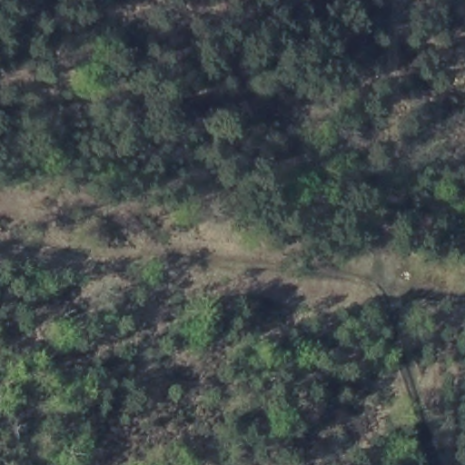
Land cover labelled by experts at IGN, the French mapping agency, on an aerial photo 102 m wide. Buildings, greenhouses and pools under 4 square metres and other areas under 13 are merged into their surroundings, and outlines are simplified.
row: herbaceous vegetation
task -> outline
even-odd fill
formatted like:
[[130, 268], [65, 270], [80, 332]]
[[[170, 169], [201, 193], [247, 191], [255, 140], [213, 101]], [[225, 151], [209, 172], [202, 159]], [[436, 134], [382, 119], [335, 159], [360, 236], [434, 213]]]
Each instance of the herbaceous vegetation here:
[[120, 418], [127, 405], [127, 389], [116, 389], [113, 392], [111, 411], [107, 414], [102, 414], [102, 401], [96, 398], [91, 401], [91, 405], [87, 407], [87, 416], [89, 423], [93, 425], [93, 461], [96, 465], [124, 465], [127, 456], [131, 440], [125, 436], [124, 425]]
[[84, 25], [74, 20], [71, 31], [53, 29], [47, 40], [47, 47], [51, 47], [54, 53], [54, 73], [58, 69], [71, 73], [76, 67], [91, 62], [96, 38], [104, 36], [107, 31], [116, 31], [122, 42], [131, 47], [133, 56], [129, 62], [140, 73], [151, 44], [160, 45], [165, 51], [173, 51], [176, 60], [183, 60], [185, 64], [194, 67], [200, 62], [200, 49], [198, 36], [194, 35], [191, 25], [194, 20], [202, 18], [203, 13], [225, 11], [225, 5], [231, 0], [156, 0], [169, 18], [169, 25], [160, 29], [149, 22], [149, 16], [153, 15], [154, 9], [158, 7], [153, 0], [93, 0], [98, 11], [96, 22]]
[[47, 0], [18, 0], [27, 9], [27, 15], [18, 20], [13, 33], [16, 40], [15, 54], [9, 56], [5, 49], [0, 53], [0, 87], [7, 82], [15, 82], [16, 91], [25, 94], [35, 93], [42, 102], [47, 102], [53, 96], [49, 84], [38, 80], [24, 82], [18, 74], [18, 69], [24, 67], [31, 56], [33, 38], [42, 29], [38, 24]]
[[218, 84], [214, 80], [207, 94], [200, 94], [191, 87], [182, 96], [176, 96], [176, 105], [182, 111], [196, 111], [200, 107], [200, 111], [196, 113], [196, 120], [203, 122], [220, 109], [236, 114], [242, 131], [247, 125], [262, 124], [263, 120], [300, 125], [300, 114], [311, 105], [311, 100], [298, 96], [291, 85], [285, 84], [280, 85], [272, 94], [256, 93], [252, 89], [249, 69], [245, 64], [245, 49], [242, 45], [236, 44], [227, 64], [231, 67], [232, 76], [236, 78], [236, 89], [229, 89], [227, 85]]
[[[414, 203], [414, 187], [418, 185], [418, 178], [423, 173], [421, 163], [434, 160], [436, 149], [441, 145], [449, 149], [452, 160], [465, 156], [465, 125], [456, 127], [452, 133], [449, 131], [445, 138], [436, 138], [436, 131], [445, 118], [449, 118], [450, 114], [460, 113], [465, 107], [465, 0], [443, 0], [449, 7], [449, 35], [452, 44], [441, 51], [441, 67], [449, 78], [454, 78], [456, 87], [441, 93], [434, 89], [429, 80], [425, 80], [423, 84], [416, 84], [409, 78], [418, 71], [414, 60], [418, 56], [409, 44], [411, 13], [416, 0], [360, 0], [367, 18], [372, 24], [378, 25], [381, 33], [389, 35], [391, 44], [381, 45], [378, 40], [372, 40], [363, 29], [352, 31], [351, 35], [341, 40], [341, 44], [343, 51], [351, 56], [352, 64], [358, 67], [358, 71], [365, 78], [371, 78], [374, 84], [374, 65], [380, 65], [383, 69], [387, 82], [391, 84], [391, 94], [387, 94], [383, 100], [383, 114], [389, 118], [389, 129], [381, 131], [380, 127], [374, 125], [372, 118], [369, 122], [360, 124], [360, 136], [367, 138], [367, 142], [363, 147], [349, 147], [349, 153], [354, 154], [356, 160], [352, 163], [351, 171], [345, 173], [349, 174], [352, 183], [367, 183], [369, 187], [378, 189], [378, 202], [387, 211], [383, 216], [372, 213], [371, 209], [360, 213], [358, 231], [371, 232], [372, 242], [363, 242], [361, 245], [336, 242], [332, 245], [332, 251], [340, 252], [345, 258], [349, 258], [347, 267], [365, 274], [369, 274], [372, 267], [376, 271], [383, 269], [385, 280], [389, 283], [394, 282], [398, 276], [403, 280], [411, 280], [414, 287], [436, 287], [441, 291], [465, 292], [465, 263], [452, 263], [445, 258], [441, 265], [438, 262], [425, 263], [420, 249], [418, 252], [412, 252], [409, 258], [400, 260], [396, 254], [392, 254], [389, 243], [392, 240], [394, 222], [400, 214], [407, 213]], [[427, 111], [430, 118], [420, 125], [420, 133], [411, 136], [407, 145], [401, 149], [394, 134], [396, 120], [414, 109], [416, 113]], [[381, 145], [389, 154], [389, 163], [385, 167], [378, 167], [369, 160], [372, 145]]]
[[67, 232], [62, 229], [69, 223], [74, 211], [93, 213], [93, 218], [102, 223], [105, 229], [109, 247], [134, 247], [133, 240], [127, 236], [143, 232], [140, 213], [134, 209], [133, 202], [116, 203], [111, 213], [104, 203], [89, 200], [91, 194], [87, 193], [87, 185], [78, 185], [78, 193], [62, 200], [47, 196], [42, 191], [25, 191], [18, 183], [13, 187], [5, 187], [0, 193], [0, 240], [9, 240], [16, 236], [20, 238], [22, 223], [38, 222], [38, 227], [42, 231], [47, 231], [45, 243], [53, 247], [69, 247]]
[[35, 441], [36, 432], [40, 432], [40, 427], [45, 421], [45, 412], [40, 409], [36, 411], [35, 407], [29, 407], [27, 403], [16, 409], [16, 420], [20, 421], [20, 434], [11, 434], [7, 445], [25, 445], [27, 454], [5, 454], [4, 458], [0, 458], [0, 465], [51, 465], [49, 461], [40, 458], [40, 447]]
[[[158, 256], [153, 262], [162, 263], [162, 278], [145, 292], [147, 300], [143, 305], [136, 303], [140, 278], [127, 269], [120, 276], [111, 274], [100, 280], [93, 280], [84, 285], [84, 289], [71, 283], [64, 291], [54, 296], [35, 300], [31, 309], [35, 312], [33, 327], [58, 320], [82, 323], [87, 320], [87, 312], [118, 307], [120, 314], [131, 316], [134, 325], [140, 329], [133, 338], [127, 338], [124, 343], [118, 343], [118, 327], [111, 322], [100, 327], [100, 334], [85, 351], [62, 351], [51, 340], [36, 340], [35, 336], [29, 336], [20, 329], [18, 316], [15, 314], [9, 314], [0, 325], [0, 336], [4, 338], [5, 345], [15, 351], [45, 352], [53, 360], [54, 369], [60, 372], [60, 380], [67, 385], [76, 381], [76, 365], [91, 369], [96, 356], [104, 360], [104, 369], [113, 378], [136, 381], [138, 387], [142, 387], [149, 398], [162, 403], [169, 398], [169, 391], [173, 385], [180, 385], [185, 391], [194, 392], [198, 389], [200, 374], [191, 367], [193, 361], [187, 352], [183, 351], [187, 347], [187, 340], [182, 334], [178, 334], [174, 340], [173, 352], [163, 356], [162, 360], [153, 360], [145, 356], [147, 349], [153, 349], [162, 341], [160, 325], [174, 320], [174, 309], [169, 303], [169, 298], [182, 291], [185, 300], [191, 305], [198, 294], [207, 294], [209, 300], [216, 298], [220, 305], [216, 307], [218, 314], [214, 322], [213, 338], [216, 341], [227, 338], [234, 322], [236, 302], [238, 298], [247, 298], [252, 311], [251, 320], [245, 323], [249, 331], [262, 331], [263, 338], [269, 343], [274, 343], [282, 351], [291, 352], [287, 372], [291, 372], [292, 380], [287, 383], [285, 394], [292, 409], [307, 423], [307, 432], [302, 438], [282, 436], [272, 440], [267, 445], [269, 465], [274, 465], [278, 461], [278, 452], [283, 449], [298, 452], [302, 458], [300, 465], [358, 465], [349, 458], [349, 450], [356, 443], [361, 449], [367, 449], [371, 465], [383, 465], [385, 452], [380, 449], [383, 443], [381, 436], [387, 430], [385, 420], [380, 421], [381, 414], [385, 405], [392, 405], [394, 398], [398, 400], [407, 396], [403, 372], [400, 371], [396, 376], [389, 374], [385, 378], [380, 378], [372, 361], [361, 349], [360, 338], [354, 338], [347, 347], [341, 345], [336, 338], [341, 320], [336, 316], [336, 307], [349, 307], [349, 314], [356, 318], [363, 312], [361, 302], [367, 300], [361, 296], [365, 282], [361, 280], [331, 282], [311, 278], [298, 278], [298, 274], [292, 274], [289, 282], [283, 280], [262, 283], [260, 274], [263, 267], [251, 267], [231, 282], [229, 272], [216, 269], [213, 263], [209, 265], [209, 251], [214, 251], [231, 256], [251, 256], [252, 262], [263, 258], [265, 262], [271, 263], [272, 267], [276, 267], [276, 263], [282, 262], [292, 251], [302, 251], [302, 243], [289, 243], [278, 251], [269, 252], [269, 245], [262, 243], [258, 249], [247, 251], [242, 245], [242, 234], [232, 227], [231, 220], [225, 223], [211, 222], [211, 203], [216, 200], [227, 200], [238, 194], [238, 187], [223, 185], [216, 174], [207, 171], [205, 162], [194, 156], [189, 162], [178, 163], [176, 158], [169, 154], [169, 158], [165, 160], [165, 171], [160, 185], [171, 187], [178, 198], [183, 198], [185, 187], [193, 185], [196, 189], [196, 202], [200, 203], [200, 225], [200, 232], [205, 236], [205, 249], [191, 251], [189, 260], [183, 260], [182, 252], [169, 249], [163, 254], [163, 258]], [[303, 302], [320, 314], [320, 331], [312, 331], [307, 323], [298, 318], [296, 311]], [[325, 351], [329, 351], [332, 360], [341, 361], [343, 365], [356, 363], [360, 367], [360, 378], [341, 380], [322, 367], [300, 367], [300, 352], [292, 343], [291, 329], [300, 332], [303, 340], [309, 341], [312, 345], [320, 345]], [[124, 352], [125, 345], [136, 343], [138, 349], [133, 358], [136, 371], [129, 371], [120, 354]]]
[[145, 98], [143, 94], [138, 94], [129, 111], [138, 122], [145, 124]]

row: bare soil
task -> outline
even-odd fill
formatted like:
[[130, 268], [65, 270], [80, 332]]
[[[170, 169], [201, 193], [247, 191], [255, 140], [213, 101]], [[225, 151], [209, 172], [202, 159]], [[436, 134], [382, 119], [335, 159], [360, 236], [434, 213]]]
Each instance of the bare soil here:
[[263, 258], [252, 262], [251, 256], [231, 256], [214, 251], [209, 251], [209, 265], [213, 263], [216, 269], [229, 272], [231, 282], [251, 267], [263, 267], [260, 274], [262, 283], [283, 280], [276, 267], [272, 267], [271, 263], [265, 262]]
[[[361, 296], [367, 300], [371, 298], [372, 303], [380, 309], [383, 322], [391, 327], [392, 336], [387, 347], [400, 352], [400, 361], [396, 363], [400, 371], [403, 372], [407, 396], [414, 403], [414, 411], [418, 416], [416, 427], [418, 441], [418, 447], [407, 454], [401, 465], [460, 465], [458, 438], [461, 403], [452, 400], [450, 411], [445, 411], [445, 398], [440, 389], [443, 381], [440, 378], [438, 363], [447, 360], [449, 356], [454, 358], [454, 363], [449, 365], [449, 372], [456, 376], [454, 392], [463, 389], [465, 381], [465, 292], [441, 291], [436, 287], [414, 287], [411, 280], [403, 280], [398, 276], [394, 282], [389, 283], [385, 280], [383, 269], [376, 271], [372, 267], [369, 274], [365, 274], [347, 267], [340, 269], [336, 265], [334, 269], [316, 269], [312, 272], [311, 278], [331, 282], [361, 280], [365, 282]], [[427, 332], [421, 338], [412, 336], [407, 329], [407, 318], [414, 303], [418, 303], [420, 307], [427, 307], [430, 316], [436, 320], [434, 331]]]
[[0, 240], [0, 258], [4, 262], [31, 262], [35, 269], [49, 272], [51, 276], [54, 272], [73, 271], [91, 276], [93, 280], [100, 280], [111, 274], [120, 276], [127, 269], [131, 263], [140, 262], [147, 267], [153, 262], [158, 256], [163, 258], [163, 254], [169, 249], [182, 252], [183, 260], [189, 260], [191, 251], [205, 249], [205, 236], [200, 232], [200, 225], [185, 232], [174, 232], [171, 242], [162, 245], [154, 243], [143, 232], [127, 236], [133, 240], [134, 247], [109, 247], [104, 245], [93, 258], [89, 252], [69, 247], [53, 247], [45, 243], [27, 245], [20, 238], [16, 236], [9, 240]]

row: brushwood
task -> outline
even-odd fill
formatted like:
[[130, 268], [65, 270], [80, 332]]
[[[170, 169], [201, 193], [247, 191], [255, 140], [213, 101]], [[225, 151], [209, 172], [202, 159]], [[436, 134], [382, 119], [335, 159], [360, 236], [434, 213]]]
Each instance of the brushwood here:
[[271, 430], [267, 409], [252, 411], [245, 414], [238, 423], [240, 432], [247, 432], [251, 425], [256, 425], [260, 434], [265, 434]]
[[131, 421], [124, 425], [125, 436], [131, 440], [127, 456], [143, 460], [143, 447], [156, 449], [158, 445], [171, 445], [173, 441], [178, 441], [200, 460], [200, 465], [231, 465], [231, 456], [220, 458], [218, 438], [207, 438], [191, 432], [191, 423], [194, 423], [194, 403], [191, 396], [194, 392], [185, 391], [180, 385], [173, 385], [169, 391], [169, 398], [162, 403], [149, 398], [145, 400], [140, 411], [133, 412]]
[[227, 356], [227, 351], [232, 349], [231, 341], [227, 338], [216, 341], [213, 338], [207, 343], [207, 349], [202, 356], [193, 361], [191, 367], [200, 374], [198, 389], [194, 392], [203, 394], [216, 389], [222, 392], [223, 400], [229, 401], [232, 398], [229, 383], [218, 378], [220, 365]]

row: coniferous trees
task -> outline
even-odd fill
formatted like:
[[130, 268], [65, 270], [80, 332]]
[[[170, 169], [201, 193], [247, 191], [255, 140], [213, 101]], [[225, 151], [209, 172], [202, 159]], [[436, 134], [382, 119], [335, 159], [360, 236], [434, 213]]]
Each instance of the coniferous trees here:
[[291, 329], [292, 343], [300, 352], [300, 367], [322, 367], [341, 380], [360, 378], [360, 367], [356, 363], [343, 365], [341, 361], [332, 360], [329, 351], [325, 351], [320, 345], [312, 345], [309, 341], [303, 340], [300, 332]]
[[[383, 69], [380, 65], [374, 65], [374, 84], [371, 78], [365, 78], [358, 71], [358, 67], [352, 64], [351, 56], [343, 51], [341, 44], [341, 40], [351, 35], [352, 31], [363, 29], [372, 40], [378, 40], [381, 45], [391, 44], [389, 35], [381, 33], [378, 25], [372, 24], [367, 18], [360, 0], [231, 0], [225, 5], [225, 11], [203, 13], [202, 18], [194, 20], [191, 25], [194, 35], [198, 36], [200, 49], [200, 62], [194, 67], [185, 64], [183, 60], [176, 60], [173, 51], [165, 51], [160, 45], [151, 44], [140, 73], [129, 62], [133, 56], [131, 47], [122, 42], [116, 31], [107, 31], [104, 36], [96, 38], [91, 62], [104, 69], [104, 74], [100, 76], [100, 84], [105, 85], [107, 91], [104, 98], [94, 98], [89, 104], [87, 98], [78, 96], [76, 89], [71, 85], [71, 73], [58, 69], [54, 73], [54, 53], [51, 47], [47, 47], [47, 40], [53, 29], [71, 31], [74, 20], [84, 25], [96, 22], [98, 11], [93, 0], [47, 0], [38, 24], [42, 29], [33, 38], [31, 56], [24, 67], [18, 69], [18, 74], [24, 82], [38, 80], [49, 84], [53, 96], [47, 102], [42, 102], [35, 93], [25, 94], [16, 91], [15, 82], [7, 82], [0, 87], [0, 193], [5, 187], [13, 187], [18, 183], [25, 191], [42, 191], [47, 196], [62, 200], [78, 193], [78, 185], [87, 185], [87, 193], [91, 194], [89, 200], [104, 203], [111, 213], [116, 203], [133, 202], [134, 209], [140, 213], [143, 232], [154, 243], [162, 245], [171, 242], [174, 232], [185, 232], [182, 225], [174, 223], [169, 218], [169, 214], [182, 209], [193, 211], [191, 203], [196, 202], [196, 189], [193, 185], [185, 187], [183, 198], [178, 198], [171, 187], [160, 185], [165, 171], [165, 160], [169, 158], [169, 154], [176, 158], [178, 163], [189, 162], [194, 156], [205, 162], [207, 171], [216, 174], [223, 185], [238, 187], [238, 194], [227, 200], [216, 200], [211, 203], [211, 222], [225, 223], [231, 220], [232, 227], [242, 234], [242, 245], [247, 251], [258, 249], [262, 243], [269, 245], [269, 252], [278, 251], [289, 243], [302, 243], [302, 251], [292, 251], [282, 262], [276, 263], [276, 267], [283, 280], [289, 282], [292, 274], [298, 274], [298, 278], [311, 278], [312, 272], [316, 269], [334, 269], [336, 265], [340, 269], [347, 267], [349, 258], [345, 258], [340, 252], [332, 251], [332, 245], [336, 242], [361, 245], [363, 242], [372, 242], [371, 232], [358, 231], [360, 213], [371, 209], [372, 213], [383, 216], [387, 211], [378, 202], [378, 189], [369, 187], [367, 183], [352, 183], [349, 174], [345, 173], [351, 171], [352, 163], [356, 160], [354, 154], [349, 153], [349, 147], [363, 147], [367, 142], [367, 138], [360, 136], [360, 124], [369, 122], [372, 118], [374, 125], [380, 127], [381, 131], [389, 129], [389, 118], [383, 114], [383, 100], [387, 94], [391, 94], [391, 84], [387, 82]], [[214, 80], [218, 84], [227, 85], [229, 89], [236, 89], [236, 78], [232, 76], [231, 67], [227, 64], [236, 44], [242, 45], [245, 49], [245, 64], [249, 69], [252, 89], [256, 93], [272, 94], [280, 85], [285, 84], [291, 85], [298, 96], [311, 100], [311, 105], [300, 114], [300, 125], [263, 120], [262, 124], [247, 125], [242, 131], [236, 114], [220, 109], [203, 122], [196, 120], [196, 113], [200, 111], [200, 107], [196, 111], [182, 111], [176, 105], [176, 96], [182, 96], [191, 87], [200, 94], [207, 94]], [[138, 94], [143, 94], [145, 98], [145, 124], [138, 122], [129, 111]]]
[[145, 356], [153, 360], [162, 360], [163, 356], [173, 352], [174, 340], [178, 334], [182, 334], [187, 340], [187, 347], [183, 351], [187, 352], [193, 361], [202, 356], [207, 349], [207, 343], [213, 338], [214, 322], [218, 314], [216, 307], [220, 305], [216, 298], [209, 300], [207, 294], [198, 294], [191, 305], [185, 300], [182, 291], [169, 298], [169, 303], [174, 309], [174, 320], [160, 325], [162, 341], [153, 349], [147, 349]]
[[389, 154], [381, 145], [372, 145], [369, 160], [378, 167], [385, 167], [389, 163]]
[[298, 318], [307, 323], [312, 331], [320, 331], [320, 314], [303, 302], [296, 311]]
[[349, 450], [349, 458], [358, 465], [371, 465], [367, 449], [361, 449], [356, 443]]
[[143, 305], [147, 300], [145, 292], [162, 278], [162, 263], [153, 262], [147, 267], [140, 262], [131, 263], [127, 269], [140, 278], [136, 303]]
[[445, 411], [450, 411], [452, 400], [461, 403], [458, 438], [460, 465], [465, 465], [465, 381], [463, 389], [454, 392], [456, 376], [449, 372], [449, 365], [454, 363], [454, 358], [449, 356], [447, 360], [438, 363], [440, 378], [443, 381], [440, 389], [445, 398]]
[[441, 93], [456, 87], [454, 78], [449, 78], [441, 67], [441, 51], [452, 44], [449, 35], [449, 7], [443, 0], [416, 0], [411, 13], [409, 44], [418, 56], [414, 60], [418, 71], [409, 78], [416, 84], [423, 84], [425, 80], [429, 80], [434, 89]]
[[363, 312], [356, 318], [349, 314], [349, 307], [336, 307], [336, 316], [341, 320], [336, 338], [341, 345], [347, 347], [354, 338], [360, 338], [361, 349], [372, 361], [380, 378], [385, 378], [389, 374], [396, 376], [400, 371], [396, 363], [400, 361], [400, 352], [387, 347], [392, 336], [391, 327], [383, 322], [380, 309], [372, 303], [371, 298], [367, 300], [361, 302]]
[[449, 118], [445, 118], [436, 131], [436, 138], [445, 138], [449, 131], [452, 133], [456, 127], [465, 125], [465, 107], [460, 113], [450, 114]]
[[427, 111], [416, 113], [414, 109], [396, 120], [394, 134], [401, 149], [407, 145], [411, 136], [420, 133], [420, 125], [430, 118]]
[[143, 460], [127, 456], [124, 465], [200, 465], [200, 460], [178, 441], [173, 441], [171, 445], [158, 445], [156, 449], [143, 447]]
[[153, 0], [158, 7], [154, 9], [153, 15], [149, 16], [149, 22], [160, 29], [169, 25], [169, 18], [156, 0]]
[[69, 223], [62, 229], [67, 232], [69, 247], [89, 252], [93, 258], [104, 245], [109, 247], [105, 229], [102, 223], [93, 218], [93, 213], [74, 211]]
[[38, 222], [22, 223], [20, 238], [27, 245], [45, 243], [47, 231], [42, 231], [38, 227]]
[[133, 358], [138, 349], [136, 343], [125, 345], [124, 352], [120, 354], [129, 371], [136, 371]]
[[5, 49], [9, 56], [15, 54], [16, 40], [13, 33], [18, 20], [27, 15], [27, 9], [18, 0], [0, 0], [0, 53]]
[[381, 414], [380, 421], [385, 420], [387, 430], [394, 430], [401, 440], [418, 441], [416, 427], [400, 427], [394, 418]]
[[149, 398], [142, 387], [138, 387], [136, 381], [113, 378], [104, 369], [104, 360], [96, 356], [91, 369], [76, 365], [76, 381], [67, 385], [60, 380], [60, 372], [54, 369], [53, 360], [45, 352], [15, 351], [5, 345], [4, 338], [0, 336], [0, 458], [4, 458], [5, 454], [27, 454], [25, 445], [7, 445], [11, 434], [20, 434], [20, 421], [16, 420], [16, 409], [27, 403], [29, 407], [35, 407], [36, 411], [40, 409], [45, 412], [45, 421], [40, 427], [40, 432], [36, 432], [35, 441], [40, 447], [40, 458], [49, 461], [51, 465], [96, 465], [93, 461], [93, 425], [89, 423], [87, 416], [87, 407], [91, 405], [91, 401], [96, 398], [102, 401], [102, 414], [107, 414], [111, 411], [113, 392], [116, 389], [127, 389], [127, 405], [120, 418], [124, 425], [131, 421], [133, 412], [140, 411], [145, 400]]
[[440, 182], [454, 185], [461, 198], [465, 198], [465, 156], [452, 160], [449, 149], [441, 145], [436, 149], [434, 160], [421, 163], [423, 173], [418, 178], [418, 185], [414, 187], [414, 203], [407, 213], [400, 214], [394, 222], [392, 240], [389, 243], [392, 254], [396, 254], [400, 260], [409, 258], [412, 252], [418, 252], [420, 249], [425, 263], [438, 262], [441, 265], [445, 258], [452, 263], [465, 263], [465, 214], [456, 211], [449, 202], [438, 198], [436, 189]]
[[35, 269], [31, 262], [4, 262], [0, 258], [0, 325], [9, 314], [15, 314], [18, 316], [20, 329], [29, 336], [35, 336], [36, 340], [51, 340], [62, 351], [85, 351], [100, 334], [100, 327], [111, 322], [118, 327], [118, 343], [124, 343], [127, 338], [133, 338], [140, 329], [134, 325], [131, 316], [120, 314], [118, 307], [87, 312], [87, 320], [82, 323], [58, 320], [33, 327], [35, 312], [31, 309], [35, 300], [54, 296], [64, 291], [71, 283], [84, 289], [84, 285], [93, 280], [91, 276], [73, 271], [54, 272], [51, 276], [49, 272]]
[[300, 465], [302, 458], [298, 452], [283, 449], [278, 452], [278, 461], [274, 465]]
[[238, 298], [236, 302], [234, 322], [227, 338], [231, 341], [232, 349], [227, 351], [227, 356], [220, 365], [218, 378], [229, 383], [232, 398], [236, 398], [242, 392], [251, 394], [249, 407], [252, 411], [267, 409], [271, 430], [265, 434], [260, 434], [256, 425], [251, 425], [247, 432], [240, 432], [238, 423], [245, 414], [238, 409], [227, 411], [229, 401], [223, 400], [222, 392], [216, 389], [203, 394], [194, 392], [191, 396], [194, 403], [194, 423], [191, 423], [191, 432], [207, 438], [218, 438], [220, 458], [231, 456], [231, 465], [269, 465], [267, 445], [272, 440], [282, 436], [302, 438], [307, 432], [307, 423], [292, 409], [285, 394], [287, 383], [292, 380], [291, 372], [287, 372], [291, 352], [282, 351], [274, 343], [269, 343], [263, 338], [262, 331], [249, 331], [245, 323], [251, 320], [252, 311], [247, 298]]

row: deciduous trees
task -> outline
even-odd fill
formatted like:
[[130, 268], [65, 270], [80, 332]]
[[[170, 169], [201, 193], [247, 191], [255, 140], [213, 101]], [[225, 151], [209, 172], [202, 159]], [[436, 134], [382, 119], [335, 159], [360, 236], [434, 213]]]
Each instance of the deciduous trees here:
[[414, 411], [414, 403], [407, 396], [398, 400], [394, 398], [392, 405], [385, 405], [381, 414], [394, 418], [400, 427], [416, 427], [418, 416]]
[[440, 182], [436, 189], [438, 198], [449, 202], [456, 211], [465, 214], [465, 198], [461, 198], [454, 185]]
[[418, 447], [418, 441], [401, 440], [394, 430], [387, 430], [381, 436], [383, 443], [380, 449], [385, 452], [383, 465], [401, 465], [407, 454]]
[[87, 98], [89, 104], [94, 98], [104, 98], [107, 91], [105, 85], [100, 84], [100, 76], [104, 74], [104, 69], [91, 62], [76, 67], [71, 73], [71, 85], [76, 89], [78, 96]]
[[200, 203], [196, 202], [191, 203], [193, 211], [182, 209], [169, 214], [169, 218], [174, 223], [182, 225], [185, 232], [200, 225]]
[[407, 329], [412, 336], [421, 338], [427, 332], [434, 331], [436, 320], [430, 316], [427, 307], [420, 307], [418, 303], [414, 303], [407, 318]]
[[229, 401], [227, 411], [238, 409], [245, 414], [252, 411], [249, 407], [251, 394], [242, 392], [236, 398], [232, 398]]

